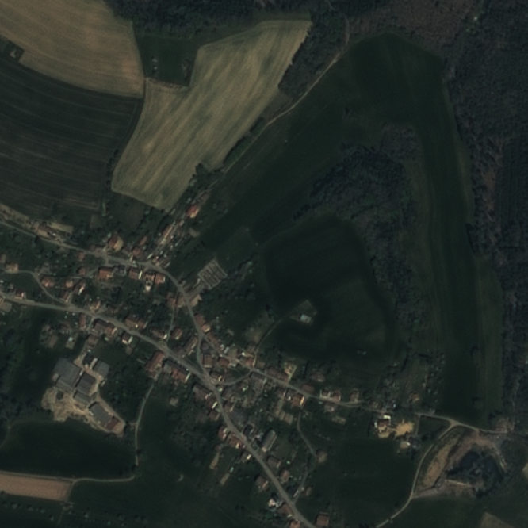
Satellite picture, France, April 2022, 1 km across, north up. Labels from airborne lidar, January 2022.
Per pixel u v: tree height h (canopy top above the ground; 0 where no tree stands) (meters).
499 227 16
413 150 8
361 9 10
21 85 0
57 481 0
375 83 0
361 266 0
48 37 0
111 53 0
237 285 9
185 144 0
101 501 0
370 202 23
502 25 10
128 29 0
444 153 0
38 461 0
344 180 19
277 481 0
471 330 0
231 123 0
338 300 0
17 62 0
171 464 0
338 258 0
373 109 0
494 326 0
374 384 0
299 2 21
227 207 6
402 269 18
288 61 0
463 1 6
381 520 0
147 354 0
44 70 0
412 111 0
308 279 0
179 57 0
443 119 0
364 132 0
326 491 0
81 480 0
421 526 0
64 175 0
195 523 0
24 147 0
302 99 0
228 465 0
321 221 0
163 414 0
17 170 0
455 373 0
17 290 0
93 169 0
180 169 0
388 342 0
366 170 23
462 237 0
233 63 0
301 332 0
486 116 9
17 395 0
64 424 0
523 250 7
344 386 0
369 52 0
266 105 0
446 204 0
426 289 0
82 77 0
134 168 0
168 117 0
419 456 25
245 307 0
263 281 0
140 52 0
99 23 0
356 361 0
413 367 20
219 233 0
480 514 0
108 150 0
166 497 0
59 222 0
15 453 0
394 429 0
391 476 0
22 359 22
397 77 0
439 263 0
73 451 0
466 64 12
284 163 0
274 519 7
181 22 22
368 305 0
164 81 0
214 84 0
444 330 0
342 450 0
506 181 8
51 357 0
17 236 12
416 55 0
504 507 0
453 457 0
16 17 0
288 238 0
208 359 0
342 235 0
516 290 26
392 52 0
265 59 0
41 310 0
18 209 0
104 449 0
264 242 0
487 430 0
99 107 0
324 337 0
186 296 0
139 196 0
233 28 18
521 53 10
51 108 0
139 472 13
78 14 0
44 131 0
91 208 0
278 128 0
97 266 0
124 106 0
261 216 0
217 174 11
